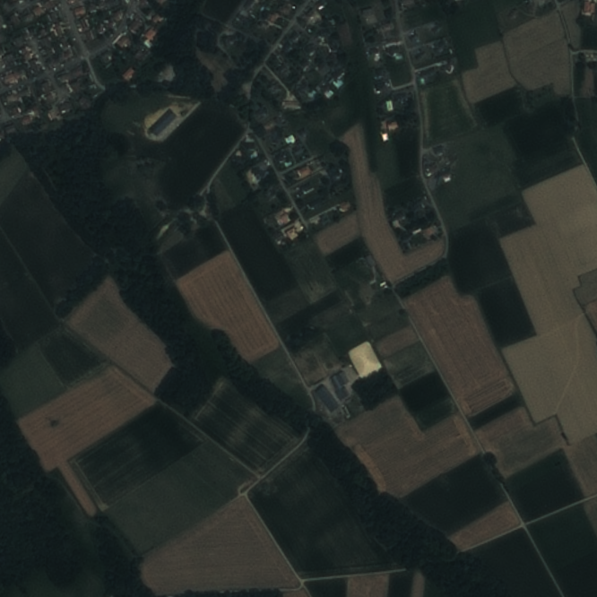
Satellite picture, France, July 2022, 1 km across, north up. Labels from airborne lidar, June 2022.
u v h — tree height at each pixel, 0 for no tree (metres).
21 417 0
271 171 8
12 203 0
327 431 22
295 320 0
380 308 0
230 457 0
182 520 0
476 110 0
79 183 25
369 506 17
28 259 0
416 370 0
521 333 0
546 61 0
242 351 0
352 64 7
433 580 9
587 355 0
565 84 0
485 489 0
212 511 0
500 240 0
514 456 0
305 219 0
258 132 16
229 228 0
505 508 0
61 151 27
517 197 0
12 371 0
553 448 0
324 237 0
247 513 0
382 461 0
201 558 0
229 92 23
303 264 0
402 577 0
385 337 0
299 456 0
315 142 0
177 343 25
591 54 0
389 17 10
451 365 0
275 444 0
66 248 0
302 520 0
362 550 0
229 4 0
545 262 0
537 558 0
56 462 0
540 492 0
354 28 0
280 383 0
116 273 6
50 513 6
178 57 15
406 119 15
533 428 0
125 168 0
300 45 10
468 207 0
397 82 0
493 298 0
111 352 0
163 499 0
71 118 0
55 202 19
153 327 22
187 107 0
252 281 0
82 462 0
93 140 26
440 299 0
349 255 0
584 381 0
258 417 0
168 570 0
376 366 0
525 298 0
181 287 0
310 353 0
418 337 0
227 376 0
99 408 0
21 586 17
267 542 0
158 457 0
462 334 0
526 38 0
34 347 0
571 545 0
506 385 0
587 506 0
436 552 24
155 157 0
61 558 22
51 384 0
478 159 0
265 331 0
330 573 0
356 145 0
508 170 0
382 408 0
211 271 0
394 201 0
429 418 0
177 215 0
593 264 0
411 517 16
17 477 23
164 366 0
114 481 0
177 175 0
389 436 0
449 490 0
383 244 0
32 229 0
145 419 0
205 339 0
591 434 0
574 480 0
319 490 0
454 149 0
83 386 0
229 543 0
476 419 0
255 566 0
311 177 0
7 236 0
